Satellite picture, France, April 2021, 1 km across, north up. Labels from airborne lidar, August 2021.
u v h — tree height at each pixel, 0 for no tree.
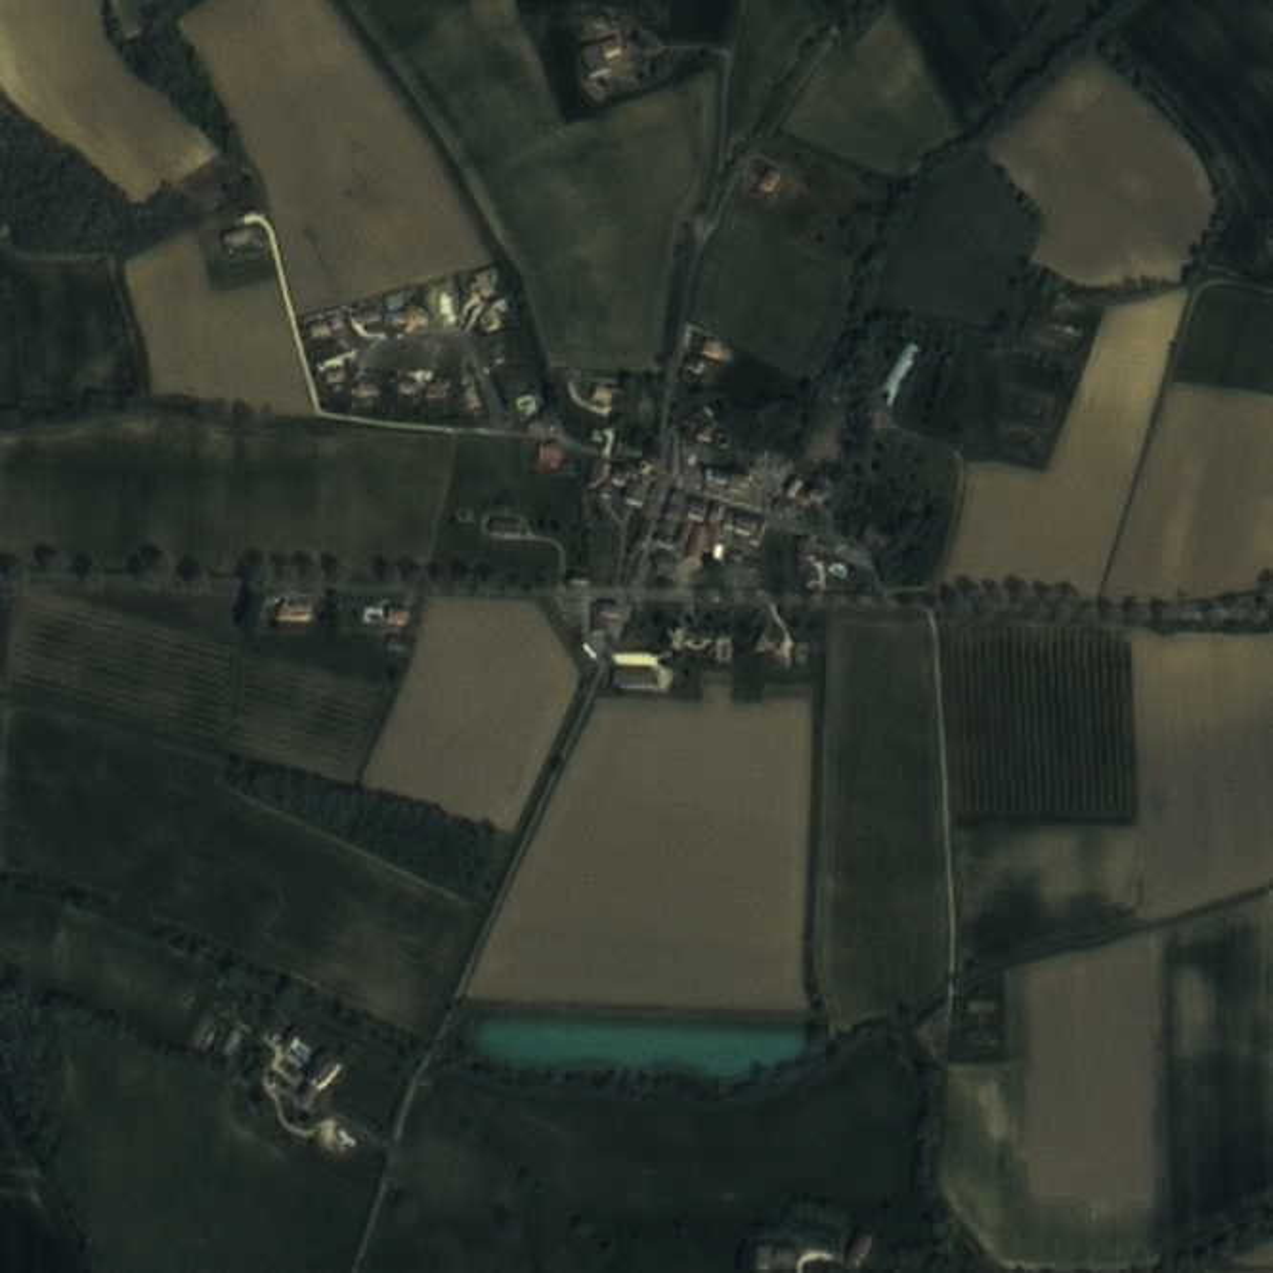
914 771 0
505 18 0
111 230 16
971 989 0
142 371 0
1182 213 0
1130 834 0
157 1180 0
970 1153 0
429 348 0
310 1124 12
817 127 0
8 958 0
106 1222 0
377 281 0
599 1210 0
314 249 0
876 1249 0
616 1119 0
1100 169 0
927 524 14
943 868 0
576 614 0
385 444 0
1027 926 0
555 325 0
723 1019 0
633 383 14
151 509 0
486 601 21
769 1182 0
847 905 0
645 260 0
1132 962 0
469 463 0
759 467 0
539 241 0
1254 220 0
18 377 0
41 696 0
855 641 0
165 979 0
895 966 0
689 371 5
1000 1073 0
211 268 0
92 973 0
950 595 15
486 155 0
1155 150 0
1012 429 0
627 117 0
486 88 0
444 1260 0
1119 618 20
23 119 17
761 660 10
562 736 0
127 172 0
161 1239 0
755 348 0
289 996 17
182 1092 0
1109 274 0
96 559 0
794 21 0
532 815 0
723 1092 15
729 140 0
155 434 0
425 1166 0
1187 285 9
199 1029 0
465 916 0
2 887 14
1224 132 0
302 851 0
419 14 0
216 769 0
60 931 0
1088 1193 0
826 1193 0
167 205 20
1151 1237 0
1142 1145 0
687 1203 0
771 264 0
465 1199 0
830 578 6
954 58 0
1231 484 0
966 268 0
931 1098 12
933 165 11
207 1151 0
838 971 0
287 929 0
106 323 0
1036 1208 0
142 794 0
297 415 0
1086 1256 0
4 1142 0
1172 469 0
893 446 8
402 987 0
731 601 16
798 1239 0
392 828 22
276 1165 0
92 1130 0
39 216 11
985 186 0
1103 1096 0
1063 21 0
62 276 0
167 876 0
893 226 13
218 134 7
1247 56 0
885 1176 0
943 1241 13
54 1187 8
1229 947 0
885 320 8
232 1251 0
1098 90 0
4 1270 0
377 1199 0
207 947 12
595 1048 0
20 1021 27
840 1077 0
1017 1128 0
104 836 0
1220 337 0
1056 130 0
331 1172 0
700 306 0
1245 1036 0
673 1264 0
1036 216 11
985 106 0
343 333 0
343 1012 12
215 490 0
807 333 0
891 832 0
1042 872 0
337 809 27
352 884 0
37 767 0
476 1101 0
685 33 0
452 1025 10
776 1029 0
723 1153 0
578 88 0
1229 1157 0
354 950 0
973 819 0
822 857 0
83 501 0
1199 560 0
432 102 0
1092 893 0
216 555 0
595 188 0
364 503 0
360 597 0
